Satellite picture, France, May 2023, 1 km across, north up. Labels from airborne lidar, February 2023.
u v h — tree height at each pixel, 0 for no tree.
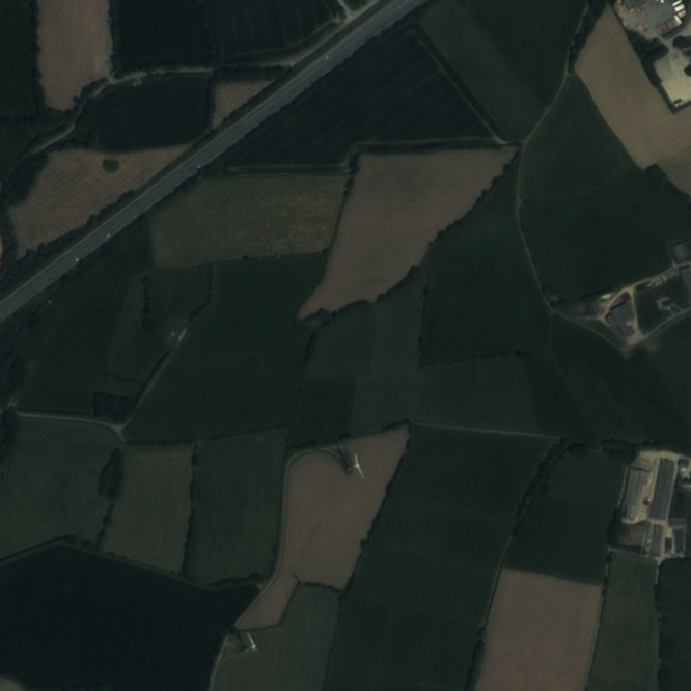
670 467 0
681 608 0
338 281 0
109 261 0
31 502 0
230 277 0
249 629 0
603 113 0
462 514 0
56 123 12
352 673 0
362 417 0
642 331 0
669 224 0
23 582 0
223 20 0
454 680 0
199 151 0
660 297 0
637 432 0
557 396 0
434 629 0
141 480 0
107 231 0
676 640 0
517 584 0
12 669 0
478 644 10
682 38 11
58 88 0
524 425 0
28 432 0
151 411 0
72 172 0
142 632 0
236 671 0
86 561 0
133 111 0
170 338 0
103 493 8
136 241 0
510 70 0
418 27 0
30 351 0
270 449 0
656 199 0
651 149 0
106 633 0
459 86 0
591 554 0
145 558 0
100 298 0
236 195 0
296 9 0
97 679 0
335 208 0
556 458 14
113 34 12
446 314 0
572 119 0
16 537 0
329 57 0
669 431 0
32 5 10
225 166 0
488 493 0
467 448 0
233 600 0
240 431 0
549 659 0
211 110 10
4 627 0
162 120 0
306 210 0
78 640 0
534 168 0
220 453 0
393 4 0
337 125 0
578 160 0
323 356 0
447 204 0
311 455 0
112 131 0
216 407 0
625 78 0
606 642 0
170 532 0
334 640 0
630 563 0
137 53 0
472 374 0
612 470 0
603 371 0
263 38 0
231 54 0
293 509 0
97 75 0
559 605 0
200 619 0
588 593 0
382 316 0
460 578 0
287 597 0
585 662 0
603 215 0
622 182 0
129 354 0
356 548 0
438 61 0
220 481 0
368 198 0
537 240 0
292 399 0
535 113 0
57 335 0
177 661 0
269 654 0
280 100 0
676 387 0
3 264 10
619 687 0
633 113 0
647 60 19
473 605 0
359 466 0
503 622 0
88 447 0
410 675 0
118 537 0
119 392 0
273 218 0
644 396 0
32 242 0
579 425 0
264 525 0
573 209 0
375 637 0
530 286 0
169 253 0
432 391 0
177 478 0
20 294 0
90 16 0
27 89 0
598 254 0
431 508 0
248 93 0
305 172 0
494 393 0
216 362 0
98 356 0
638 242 0
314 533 0
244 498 0
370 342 0
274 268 0
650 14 0
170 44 0
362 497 0
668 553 0
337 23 0
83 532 0
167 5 0
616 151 0
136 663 0
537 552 0
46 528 0
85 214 0
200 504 0
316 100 0
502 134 0
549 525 0
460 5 0
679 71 0
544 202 0
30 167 17
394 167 0
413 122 0
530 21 0
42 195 0
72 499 0
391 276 0
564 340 0
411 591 0
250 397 0
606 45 0
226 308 0
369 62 0
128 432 0
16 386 12
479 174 0
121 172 0
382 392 0
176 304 0
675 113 0
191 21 0
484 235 0
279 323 0
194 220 0
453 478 0
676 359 0
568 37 0
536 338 0
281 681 0
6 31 0
